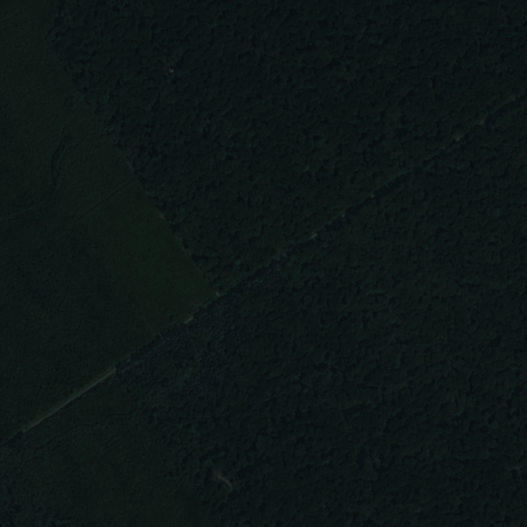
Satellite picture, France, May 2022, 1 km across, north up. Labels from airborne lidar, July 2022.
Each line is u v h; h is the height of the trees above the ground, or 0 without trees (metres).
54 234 16
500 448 26
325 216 12
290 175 30
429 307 23
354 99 29
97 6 30
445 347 29
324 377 31
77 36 24
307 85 28
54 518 22
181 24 28
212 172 32
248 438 29
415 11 32
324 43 27
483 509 26
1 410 18
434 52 26
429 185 30
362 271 28
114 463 13
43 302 17
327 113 31
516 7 30
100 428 18
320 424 23
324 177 31
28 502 15
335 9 31
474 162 27
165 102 27
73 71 29
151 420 22
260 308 25
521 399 31
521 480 25
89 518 13
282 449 28
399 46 28
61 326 13
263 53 27
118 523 11
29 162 16
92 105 25
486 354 32
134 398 22
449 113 32
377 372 29
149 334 15
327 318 29
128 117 27
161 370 25
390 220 29
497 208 27
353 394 28
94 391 11
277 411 29
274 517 32
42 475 14
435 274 28
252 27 27
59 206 16
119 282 9
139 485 13
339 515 30
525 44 25
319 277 27
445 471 28
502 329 29
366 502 28
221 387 25
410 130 25
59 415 8
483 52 30
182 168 27
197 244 28
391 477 30
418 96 25
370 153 24
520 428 26
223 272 26
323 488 29
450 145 22
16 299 17
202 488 24
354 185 27
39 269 15
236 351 22
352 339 24
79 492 14
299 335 31
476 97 29
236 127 26
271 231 26
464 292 29
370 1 29
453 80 28
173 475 21
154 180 29
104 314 15
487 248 27
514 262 30
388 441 12
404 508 23
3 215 19
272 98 25
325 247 21
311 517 28
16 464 15
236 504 15
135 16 26
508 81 28
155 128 29
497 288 31
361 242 31
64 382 17
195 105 25
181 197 30
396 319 28
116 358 15
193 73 27
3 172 17
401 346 30
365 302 30
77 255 15
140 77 28
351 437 30
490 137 29
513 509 26
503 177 28
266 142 27
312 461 31
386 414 31
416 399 26
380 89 30
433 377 27
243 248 26
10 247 17
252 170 27
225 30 29
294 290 26
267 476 30
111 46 28
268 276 25
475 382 32
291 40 31
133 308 11
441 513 27
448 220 29
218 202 29
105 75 27
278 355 24
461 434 25
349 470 28
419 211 29
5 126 16
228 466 27
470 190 31
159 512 11
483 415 28
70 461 14
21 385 16
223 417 10
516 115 25
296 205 28
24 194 18
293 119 28
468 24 24
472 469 27
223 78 29
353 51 29
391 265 29
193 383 25
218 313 24
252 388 28
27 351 18
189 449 11
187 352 25
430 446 27
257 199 27
